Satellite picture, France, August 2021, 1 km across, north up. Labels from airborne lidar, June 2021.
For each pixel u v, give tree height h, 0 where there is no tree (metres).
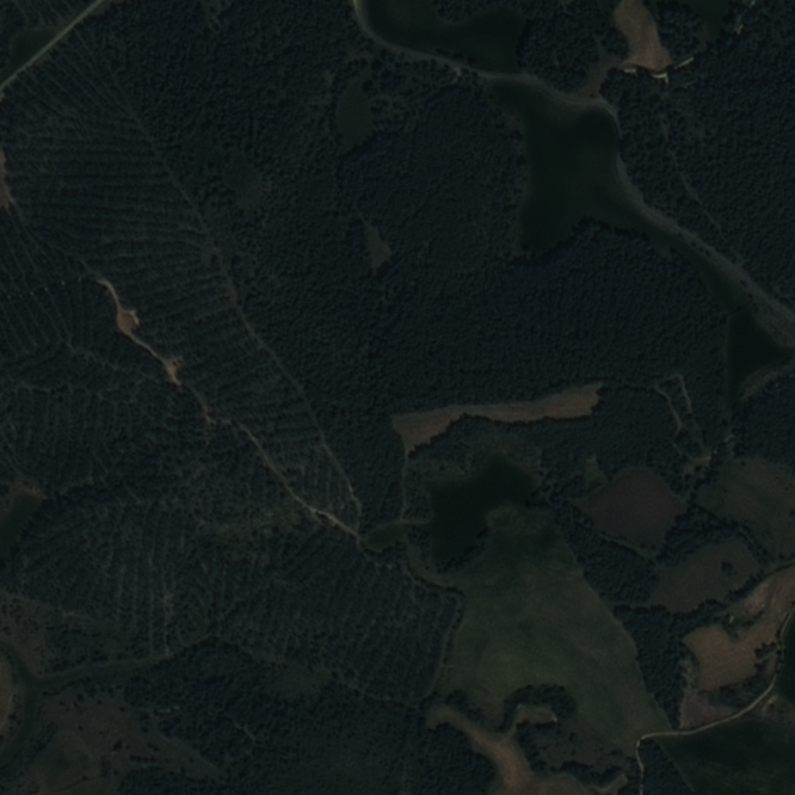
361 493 10
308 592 12
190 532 12
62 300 14
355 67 9
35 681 0
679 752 0
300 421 11
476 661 0
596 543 12
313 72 11
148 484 12
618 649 0
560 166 0
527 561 0
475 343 12
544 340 11
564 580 0
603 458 15
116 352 13
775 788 0
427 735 11
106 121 9
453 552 0
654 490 0
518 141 14
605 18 6
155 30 13
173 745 0
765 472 0
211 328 9
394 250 15
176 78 12
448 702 7
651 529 0
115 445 12
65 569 12
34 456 13
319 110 12
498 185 13
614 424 13
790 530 0
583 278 15
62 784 0
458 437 13
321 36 13
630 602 9
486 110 16
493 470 0
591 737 0
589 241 15
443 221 12
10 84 0
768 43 12
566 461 11
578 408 0
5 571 16
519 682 0
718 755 0
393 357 15
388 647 8
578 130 0
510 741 0
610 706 0
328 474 9
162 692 7
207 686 10
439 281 8
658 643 13
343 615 12
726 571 9
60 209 12
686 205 11
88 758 0
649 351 12
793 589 0
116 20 17
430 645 11
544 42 16
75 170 12
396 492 13
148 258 8
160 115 9
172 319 9
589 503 0
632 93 13
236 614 8
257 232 10
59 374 11
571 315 13
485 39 0
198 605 12
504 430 13
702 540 14
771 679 0
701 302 12
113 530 10
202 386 10
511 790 0
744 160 9
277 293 10
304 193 14
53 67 12
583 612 0
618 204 0
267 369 7
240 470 11
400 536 0
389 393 11
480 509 0
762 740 0
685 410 10
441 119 12
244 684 7
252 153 9
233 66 16
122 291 9
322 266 15
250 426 9
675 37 16
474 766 14
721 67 16
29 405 9
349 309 12
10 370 11
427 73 9
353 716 7
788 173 6
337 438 7
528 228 0
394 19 0
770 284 10
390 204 13
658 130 11
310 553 13
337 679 14
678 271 9
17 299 16
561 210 0
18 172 11
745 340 0
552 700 7
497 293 13
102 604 11
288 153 10
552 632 0
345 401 9
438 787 6
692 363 9
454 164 14
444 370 12
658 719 0
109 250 10
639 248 15
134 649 9
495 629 0
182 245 8
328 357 7
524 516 0
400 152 13
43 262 10
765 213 11
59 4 10
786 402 9
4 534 0
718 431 15
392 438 13
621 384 12
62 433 9
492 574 0
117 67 11
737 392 0
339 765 0
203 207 9
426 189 9
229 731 14
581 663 0
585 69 11
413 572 8
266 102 9
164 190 10
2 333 14
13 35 8
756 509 0
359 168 15
